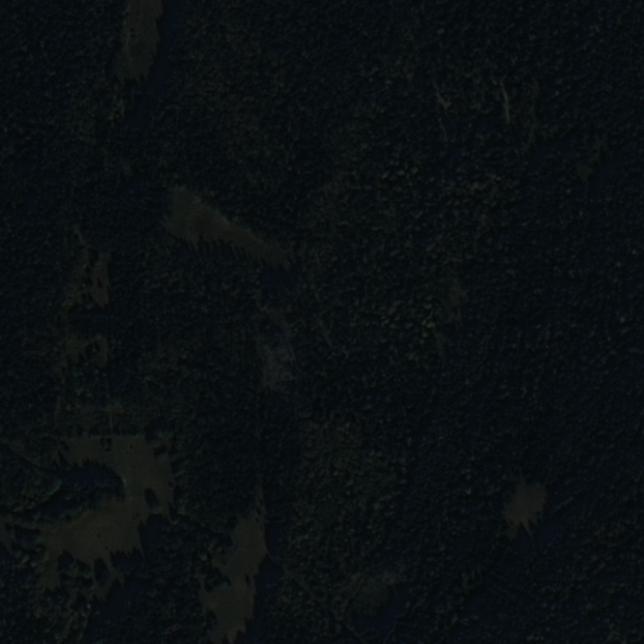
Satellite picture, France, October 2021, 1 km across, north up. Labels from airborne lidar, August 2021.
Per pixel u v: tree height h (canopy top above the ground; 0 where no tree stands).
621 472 25
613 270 12
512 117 10
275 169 16
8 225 23
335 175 22
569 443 18
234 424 26
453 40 18
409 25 27
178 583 13
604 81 27
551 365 23
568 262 27
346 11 27
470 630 22
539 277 14
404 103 31
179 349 24
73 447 0
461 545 19
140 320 21
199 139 23
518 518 0
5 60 22
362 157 28
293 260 0
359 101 30
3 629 16
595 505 25
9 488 22
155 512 20
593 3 21
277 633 20
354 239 19
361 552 19
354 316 16
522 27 24
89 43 21
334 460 13
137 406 17
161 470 0
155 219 24
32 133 21
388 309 22
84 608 16
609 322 8
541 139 0
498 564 22
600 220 28
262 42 17
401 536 30
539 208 8
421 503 26
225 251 0
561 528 24
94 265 13
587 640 29
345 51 32
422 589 14
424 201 14
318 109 26
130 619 26
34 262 23
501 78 10
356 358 15
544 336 23
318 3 34
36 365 20
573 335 9
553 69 25
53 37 24
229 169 24
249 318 26
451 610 16
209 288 20
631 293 27
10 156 8
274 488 15
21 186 28
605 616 16
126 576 0
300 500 11
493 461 16
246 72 20
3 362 9
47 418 24
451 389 21
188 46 23
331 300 20
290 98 22
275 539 16
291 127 30
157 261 18
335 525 14
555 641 25
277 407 16
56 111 23
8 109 18
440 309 15
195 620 15
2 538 0
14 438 22
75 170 14
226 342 22
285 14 33
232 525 14
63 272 29
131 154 23
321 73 25
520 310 11
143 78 0
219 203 17
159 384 13
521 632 25
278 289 24
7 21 20
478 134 25
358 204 22
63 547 0
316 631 13
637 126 23
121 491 13
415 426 25
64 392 21
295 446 18
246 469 19
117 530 0
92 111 18
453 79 10
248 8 22
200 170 25
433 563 17
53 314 20
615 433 28
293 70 27
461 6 23
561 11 29
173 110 19
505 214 13
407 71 32
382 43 26
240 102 26
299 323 20
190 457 17
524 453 12
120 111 15
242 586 0
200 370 20
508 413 18
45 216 21
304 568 11
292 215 20
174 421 16
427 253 14
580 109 28
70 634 11
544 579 21
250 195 9
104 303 0
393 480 9
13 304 20
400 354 21
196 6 22
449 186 19
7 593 22
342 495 12
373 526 13
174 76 22
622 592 11
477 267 27
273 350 26
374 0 34
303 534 16
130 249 23
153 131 29
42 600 16
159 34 0
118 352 20
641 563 18
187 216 0
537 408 26
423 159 12
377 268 17
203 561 18
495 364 23
